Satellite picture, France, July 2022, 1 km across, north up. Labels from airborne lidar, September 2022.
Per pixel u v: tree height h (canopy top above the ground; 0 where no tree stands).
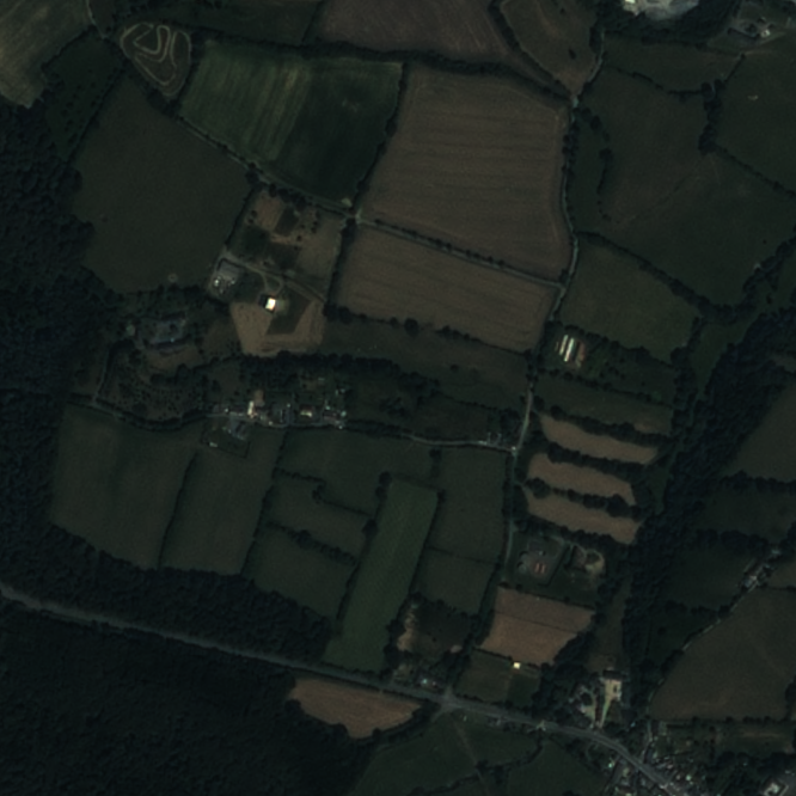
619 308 0
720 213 0
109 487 0
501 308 0
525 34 0
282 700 15
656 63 0
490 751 0
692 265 0
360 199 8
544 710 14
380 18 0
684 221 0
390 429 10
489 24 0
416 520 0
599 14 8
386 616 0
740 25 0
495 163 0
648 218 0
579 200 0
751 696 0
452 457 0
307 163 0
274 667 11
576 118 8
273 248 0
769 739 0
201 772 21
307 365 19
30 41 0
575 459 14
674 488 18
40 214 23
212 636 20
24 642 16
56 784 18
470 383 0
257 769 22
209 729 27
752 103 0
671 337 0
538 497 6
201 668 15
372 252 0
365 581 0
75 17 0
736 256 0
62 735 17
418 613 0
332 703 0
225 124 0
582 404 0
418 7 0
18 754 16
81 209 0
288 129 0
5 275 27
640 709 10
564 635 0
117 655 16
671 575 21
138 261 0
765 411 7
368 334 0
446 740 0
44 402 22
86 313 28
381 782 0
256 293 0
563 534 15
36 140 24
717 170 0
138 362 11
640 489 15
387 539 0
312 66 0
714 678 0
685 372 11
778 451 0
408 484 0
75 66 0
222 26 0
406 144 0
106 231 0
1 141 24
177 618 20
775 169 0
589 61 0
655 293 0
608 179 7
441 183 0
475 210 0
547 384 0
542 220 0
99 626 13
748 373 20
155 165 0
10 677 29
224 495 0
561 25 0
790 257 13
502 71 10
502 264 9
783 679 0
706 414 18
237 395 6
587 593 0
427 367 0
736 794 8
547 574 0
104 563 22
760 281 12
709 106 16
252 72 0
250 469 0
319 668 6
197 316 0
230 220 0
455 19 0
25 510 23
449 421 0
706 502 13
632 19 10
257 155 0
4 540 21
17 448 20
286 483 0
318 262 0
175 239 0
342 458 0
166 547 7
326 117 0
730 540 20
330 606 0
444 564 0
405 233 7
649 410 0
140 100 0
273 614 23
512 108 0
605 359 8
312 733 14
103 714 22
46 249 25
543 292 0
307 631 25
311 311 0
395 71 0
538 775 0
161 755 23
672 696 0
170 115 13
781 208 0
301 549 11
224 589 24
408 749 0
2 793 22
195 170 0
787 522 0
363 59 8
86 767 17
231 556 0
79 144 7
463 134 0
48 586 21
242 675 15
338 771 14
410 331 14
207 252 0
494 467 0
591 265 0
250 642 19
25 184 25
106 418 0
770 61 0
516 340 0
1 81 0
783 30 0
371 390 0
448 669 6
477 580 0
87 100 0
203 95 0
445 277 0
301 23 0
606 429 9
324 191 0
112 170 0
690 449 10
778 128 0
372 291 0
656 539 25
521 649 0
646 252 0
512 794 0
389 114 0
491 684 0
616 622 0
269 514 7
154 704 24
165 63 0
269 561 0
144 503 0
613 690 0
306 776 17
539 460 0
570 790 0
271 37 0
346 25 0
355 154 0
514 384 0
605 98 0
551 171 0
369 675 9
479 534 0
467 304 0
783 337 16
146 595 24
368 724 0
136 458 0
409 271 0
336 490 0
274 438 0
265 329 0
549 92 13
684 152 0
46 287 28
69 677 23
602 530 0
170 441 0
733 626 0
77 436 0
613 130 0
